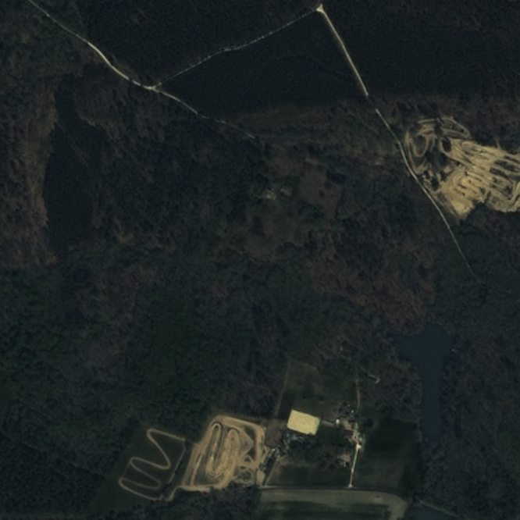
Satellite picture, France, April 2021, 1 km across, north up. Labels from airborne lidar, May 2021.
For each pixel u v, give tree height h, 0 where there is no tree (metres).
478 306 14
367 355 13
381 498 0
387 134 18
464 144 0
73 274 13
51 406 19
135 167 13
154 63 18
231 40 17
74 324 25
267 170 13
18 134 20
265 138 7
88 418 22
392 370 21
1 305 17
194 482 0
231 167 22
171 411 12
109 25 20
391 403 11
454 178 0
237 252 8
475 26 21
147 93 17
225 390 22
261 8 19
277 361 13
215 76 16
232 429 0
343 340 8
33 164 9
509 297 22
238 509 15
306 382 0
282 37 15
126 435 21
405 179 12
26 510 19
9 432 18
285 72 15
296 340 14
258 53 16
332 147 17
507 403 16
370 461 0
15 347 22
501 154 0
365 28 18
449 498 20
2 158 28
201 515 13
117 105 16
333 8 15
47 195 17
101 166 14
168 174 20
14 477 19
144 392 18
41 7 15
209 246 17
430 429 0
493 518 20
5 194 23
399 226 23
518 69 17
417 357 0
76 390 21
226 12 18
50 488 21
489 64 16
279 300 17
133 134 13
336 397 0
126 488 0
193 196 23
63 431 23
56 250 16
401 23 21
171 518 21
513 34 19
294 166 0
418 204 17
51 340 24
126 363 9
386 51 16
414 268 14
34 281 20
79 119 12
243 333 17
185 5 18
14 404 14
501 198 0
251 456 0
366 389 19
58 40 18
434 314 16
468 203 0
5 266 8
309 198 0
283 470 0
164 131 8
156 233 17
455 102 6
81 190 17
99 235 18
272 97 18
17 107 8
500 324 20
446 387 9
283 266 8
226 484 0
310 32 15
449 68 17
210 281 14
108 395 24
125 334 18
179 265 16
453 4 19
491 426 15
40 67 14
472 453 15
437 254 17
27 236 9
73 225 15
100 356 15
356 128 19
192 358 16
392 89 17
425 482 17
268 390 8
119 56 18
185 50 21
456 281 19
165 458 0
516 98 23
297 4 18
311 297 22
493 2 19
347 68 15
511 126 10
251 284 20
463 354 18
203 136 18
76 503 21
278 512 0
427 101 13
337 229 16
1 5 22
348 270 12
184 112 16
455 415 22
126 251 12
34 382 26
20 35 16
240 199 19
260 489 7
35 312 21
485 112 8
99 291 15
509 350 14
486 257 19
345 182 20
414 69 16
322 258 8
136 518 18
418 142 14
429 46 17
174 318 21
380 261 11
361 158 8
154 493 0
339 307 24
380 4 19
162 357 15
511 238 12
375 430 0
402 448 0
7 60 14
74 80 9
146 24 19
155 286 13
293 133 18
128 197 16
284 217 0
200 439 8
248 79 14
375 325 20
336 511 0
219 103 16
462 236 20
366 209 9
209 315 11
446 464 20
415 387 12
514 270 15
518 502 19
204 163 13
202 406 19
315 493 0
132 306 14
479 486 24
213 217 13
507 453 20
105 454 20
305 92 16
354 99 18
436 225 18
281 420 0
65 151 14
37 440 19
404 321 11
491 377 19
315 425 0
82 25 20
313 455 18
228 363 14
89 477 19
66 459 15
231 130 12
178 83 16
